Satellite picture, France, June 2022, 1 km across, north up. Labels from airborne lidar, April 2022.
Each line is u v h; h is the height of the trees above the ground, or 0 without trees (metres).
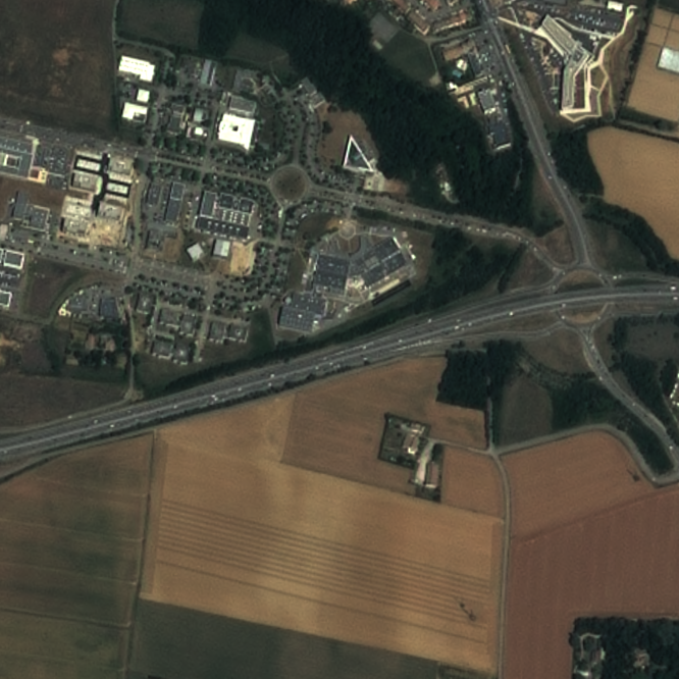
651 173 0
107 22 0
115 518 0
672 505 0
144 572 0
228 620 0
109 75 0
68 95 0
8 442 0
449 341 0
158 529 0
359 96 17
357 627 0
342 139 0
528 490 0
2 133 0
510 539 0
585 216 7
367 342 0
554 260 0
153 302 6
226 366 8
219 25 7
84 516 0
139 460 0
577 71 0
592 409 12
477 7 6
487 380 14
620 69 0
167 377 0
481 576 0
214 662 0
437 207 9
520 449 0
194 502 0
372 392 0
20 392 0
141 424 8
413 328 0
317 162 11
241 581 0
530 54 0
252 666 0
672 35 0
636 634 12
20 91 0
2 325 0
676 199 0
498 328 0
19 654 0
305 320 0
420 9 0
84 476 0
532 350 0
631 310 0
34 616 0
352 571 0
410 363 0
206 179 10
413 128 9
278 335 0
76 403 0
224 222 0
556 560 0
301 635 0
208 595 0
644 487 0
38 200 0
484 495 0
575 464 0
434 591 0
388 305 0
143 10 0
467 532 0
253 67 8
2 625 0
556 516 0
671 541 0
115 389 0
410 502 0
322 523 0
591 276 0
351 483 0
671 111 0
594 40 0
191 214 0
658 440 7
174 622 0
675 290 0
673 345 0
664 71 0
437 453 8
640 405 0
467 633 0
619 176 0
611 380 0
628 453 0
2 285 0
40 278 0
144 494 0
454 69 0
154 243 6
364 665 0
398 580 0
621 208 6
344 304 0
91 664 0
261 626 0
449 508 0
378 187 0
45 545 0
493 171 21
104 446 0
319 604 0
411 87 12
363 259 0
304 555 0
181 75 0
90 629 0
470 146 11
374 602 0
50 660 0
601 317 0
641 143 0
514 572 0
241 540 0
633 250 0
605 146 0
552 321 0
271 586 0
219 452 0
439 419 0
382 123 15
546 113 0
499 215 12
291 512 0
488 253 0
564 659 0
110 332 7
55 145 0
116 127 0
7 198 0
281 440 0
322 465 0
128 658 0
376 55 13
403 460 8
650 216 0
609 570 0
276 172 0
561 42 0
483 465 0
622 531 0
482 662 0
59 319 0
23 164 0
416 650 0
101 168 0
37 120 0
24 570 0
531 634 0
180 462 0
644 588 0
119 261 0
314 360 0
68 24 0
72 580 0
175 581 0
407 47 0
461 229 9
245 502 0
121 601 0
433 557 0
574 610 0
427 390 0
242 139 0
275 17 11
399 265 0
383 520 0
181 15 0
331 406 0
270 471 0
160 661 0
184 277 0
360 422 0
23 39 0
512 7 0
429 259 0
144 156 0
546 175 0
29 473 0
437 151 9
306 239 9
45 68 0
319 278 0
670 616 0
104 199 0
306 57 14
